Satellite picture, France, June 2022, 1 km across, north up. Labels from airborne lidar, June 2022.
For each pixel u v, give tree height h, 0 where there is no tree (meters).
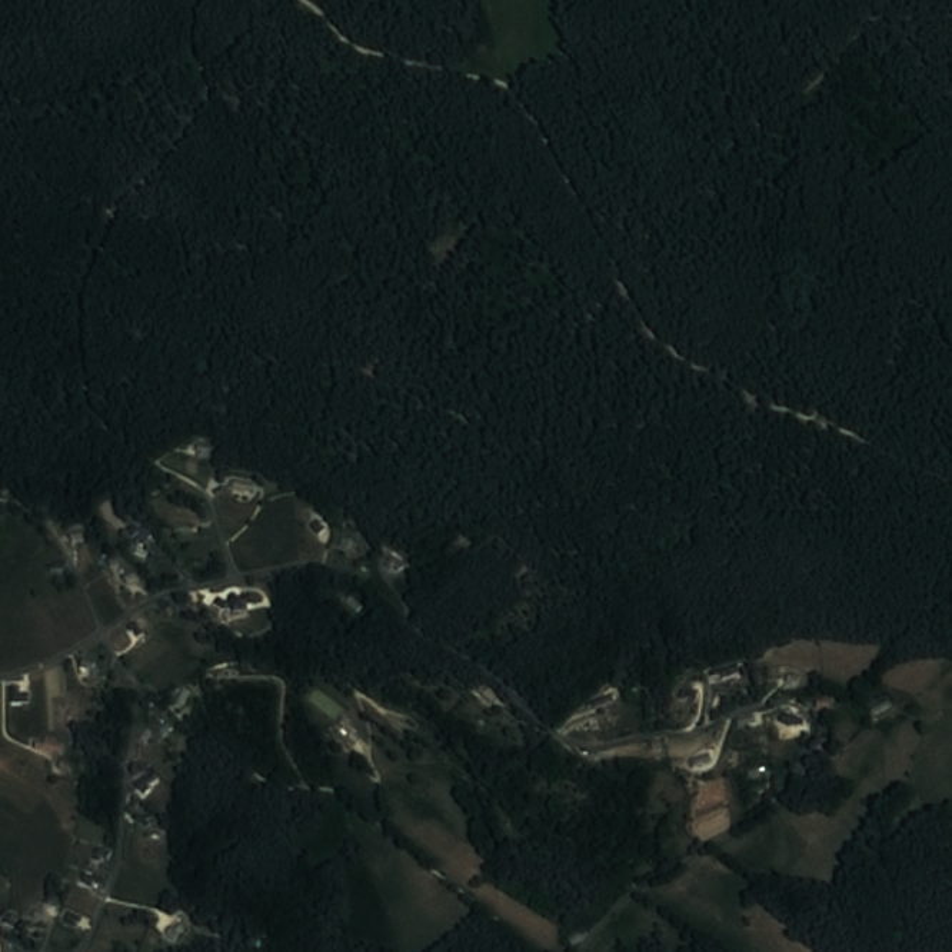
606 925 0
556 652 18
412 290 26
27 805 0
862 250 28
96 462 20
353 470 23
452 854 0
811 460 17
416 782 14
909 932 22
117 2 14
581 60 26
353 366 23
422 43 23
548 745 13
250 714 9
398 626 21
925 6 26
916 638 21
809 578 20
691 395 26
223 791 19
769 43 22
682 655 18
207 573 14
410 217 18
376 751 0
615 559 13
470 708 0
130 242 18
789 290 34
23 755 0
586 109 29
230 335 20
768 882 21
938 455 12
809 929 12
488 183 19
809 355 26
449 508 21
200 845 26
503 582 18
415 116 13
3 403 25
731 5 26
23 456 25
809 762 20
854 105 7
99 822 9
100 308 14
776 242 24
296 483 17
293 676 18
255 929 20
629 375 21
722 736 0
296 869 24
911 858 19
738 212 29
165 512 0
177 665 0
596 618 17
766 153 14
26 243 23
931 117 24
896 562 20
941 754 0
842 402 20
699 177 26
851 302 29
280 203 25
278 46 17
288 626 14
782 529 24
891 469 24
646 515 22
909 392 27
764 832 0
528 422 24
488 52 0
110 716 10
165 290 21
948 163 26
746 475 27
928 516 22
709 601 15
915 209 23
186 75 24
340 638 22
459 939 17
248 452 17
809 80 17
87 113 33
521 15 0
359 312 25
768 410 21
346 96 17
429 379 19
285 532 0
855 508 19
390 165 17
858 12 26
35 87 23
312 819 23
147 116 21
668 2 30
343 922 17
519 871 18
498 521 20
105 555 14
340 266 25
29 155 23
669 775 0
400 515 22
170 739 6
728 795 0
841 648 0
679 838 0
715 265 23
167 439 24
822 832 0
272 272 19
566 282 22
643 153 28
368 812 24
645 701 11
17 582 0
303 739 9
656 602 17
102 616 0
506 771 21
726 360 27
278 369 27
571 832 15
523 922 0
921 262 26
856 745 0
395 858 0
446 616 19
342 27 23
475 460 26
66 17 22
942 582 19
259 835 26
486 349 26
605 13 25
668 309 18
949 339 26
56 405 22
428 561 16
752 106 18
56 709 0
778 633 20
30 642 0
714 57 20
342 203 28
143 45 28
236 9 24
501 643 11
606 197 25
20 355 26
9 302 21
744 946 0
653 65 21
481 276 18
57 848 0
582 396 28
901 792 26
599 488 19
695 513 22
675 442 18
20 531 0
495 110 29
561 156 24
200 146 17
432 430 22
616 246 26
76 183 21
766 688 10
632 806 14
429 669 22
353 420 26
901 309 26
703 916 0
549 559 21
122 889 0
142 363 21
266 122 25
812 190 35
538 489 15
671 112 24
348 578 13
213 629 14
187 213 20
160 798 0
